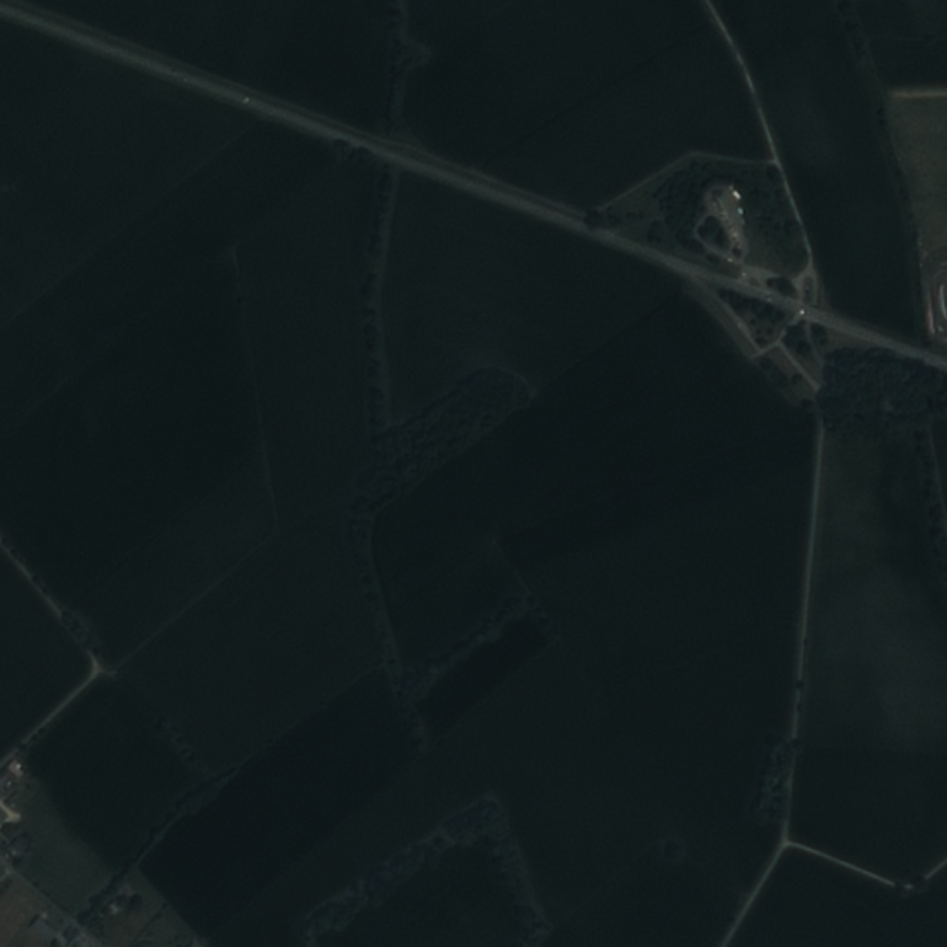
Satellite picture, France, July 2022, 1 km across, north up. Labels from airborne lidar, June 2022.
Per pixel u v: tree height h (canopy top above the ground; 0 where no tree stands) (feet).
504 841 87
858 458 0
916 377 84
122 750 0
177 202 0
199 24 0
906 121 0
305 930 55
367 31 0
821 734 0
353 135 0
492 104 0
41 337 0
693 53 0
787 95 0
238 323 0
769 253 0
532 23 0
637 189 0
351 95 0
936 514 48
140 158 0
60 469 0
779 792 39
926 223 0
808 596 0
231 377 0
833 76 0
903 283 0
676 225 38
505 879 70
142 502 0
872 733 0
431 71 0
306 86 0
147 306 0
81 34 0
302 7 0
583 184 0
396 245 0
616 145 0
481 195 0
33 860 0
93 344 0
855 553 0
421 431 40
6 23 0
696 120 0
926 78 0
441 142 0
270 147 0
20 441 0
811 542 0
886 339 0
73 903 0
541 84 0
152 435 0
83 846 0
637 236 0
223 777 20
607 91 0
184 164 0
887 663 0
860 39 31
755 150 0
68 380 0
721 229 32
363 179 0
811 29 0
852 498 0
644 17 0
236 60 0
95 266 0
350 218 0
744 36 0
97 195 0
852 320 0
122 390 0
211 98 0
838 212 0
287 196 0
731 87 0
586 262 0
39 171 0
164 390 0
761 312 71
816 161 0
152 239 0
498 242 0
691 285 0
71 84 0
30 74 0
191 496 0
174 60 0
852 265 0
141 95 0
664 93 0
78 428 0
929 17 0
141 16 0
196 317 0
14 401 0
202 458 0
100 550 0
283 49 0
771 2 0
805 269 0
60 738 0
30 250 0
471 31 0
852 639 0
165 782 0
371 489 59
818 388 0
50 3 0
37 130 0
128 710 0
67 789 0
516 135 0
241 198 0
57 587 0
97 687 0
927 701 0
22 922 0
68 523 0
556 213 0
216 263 0
